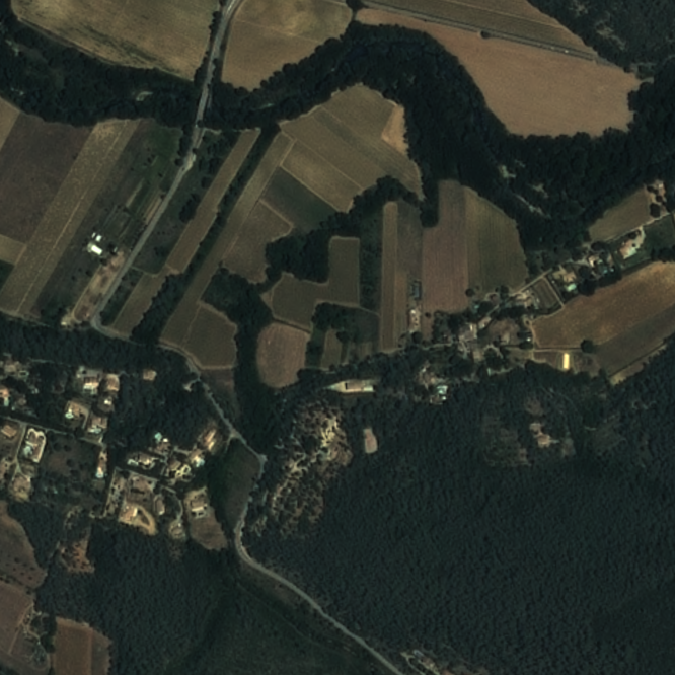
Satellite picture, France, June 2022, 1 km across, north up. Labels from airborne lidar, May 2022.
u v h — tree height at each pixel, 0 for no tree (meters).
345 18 0
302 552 14
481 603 16
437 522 6
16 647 0
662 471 14
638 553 9
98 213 0
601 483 15
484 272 0
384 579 18
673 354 7
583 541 21
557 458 19
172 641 15
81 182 0
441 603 19
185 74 0
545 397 11
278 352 0
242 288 6
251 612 16
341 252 0
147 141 0
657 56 11
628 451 12
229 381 0
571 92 0
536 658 21
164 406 10
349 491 17
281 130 10
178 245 0
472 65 0
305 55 0
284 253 14
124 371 10
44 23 0
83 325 7
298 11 0
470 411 13
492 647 12
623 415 8
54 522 13
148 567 18
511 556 19
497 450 10
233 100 21
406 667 17
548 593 20
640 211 0
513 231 0
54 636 5
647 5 19
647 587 19
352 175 0
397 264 0
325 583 16
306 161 0
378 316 0
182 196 0
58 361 10
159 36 0
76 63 14
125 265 0
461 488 11
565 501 14
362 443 14
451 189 0
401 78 13
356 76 14
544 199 25
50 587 19
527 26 0
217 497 10
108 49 0
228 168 0
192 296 0
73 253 0
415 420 15
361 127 0
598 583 20
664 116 13
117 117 18
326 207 0
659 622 6
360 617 16
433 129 18
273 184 0
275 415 14
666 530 18
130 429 14
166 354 7
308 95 14
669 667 8
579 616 19
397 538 7
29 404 13
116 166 0
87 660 0
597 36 9
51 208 0
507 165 23
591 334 0
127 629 17
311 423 8
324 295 0
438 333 8
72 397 9
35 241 0
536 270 9
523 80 0
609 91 0
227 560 6
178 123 18
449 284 0
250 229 0
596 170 18
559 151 11
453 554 15
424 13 0
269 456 11
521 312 15
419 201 12
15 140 0
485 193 20
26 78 17
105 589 15
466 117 6
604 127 0
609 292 0
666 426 7
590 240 14
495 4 0
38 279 0
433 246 0
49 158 0
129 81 16
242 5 0
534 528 15
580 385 10
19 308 0
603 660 25
